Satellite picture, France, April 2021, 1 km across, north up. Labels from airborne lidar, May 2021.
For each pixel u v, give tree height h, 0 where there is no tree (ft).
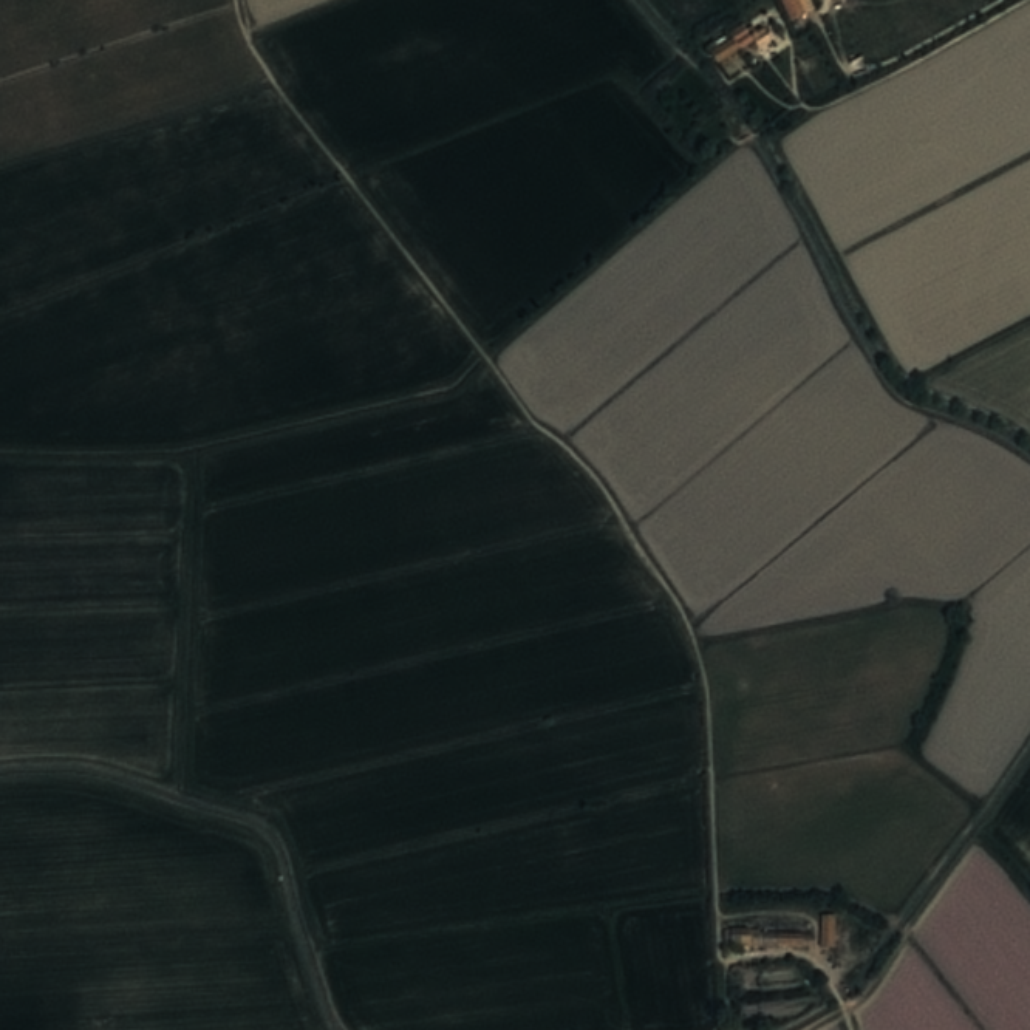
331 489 0
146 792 0
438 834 0
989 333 0
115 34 0
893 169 0
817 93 0
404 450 0
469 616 0
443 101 0
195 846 0
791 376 0
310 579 0
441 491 0
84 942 0
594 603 0
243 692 0
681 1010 0
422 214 0
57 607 0
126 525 0
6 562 0
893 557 0
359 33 0
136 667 0
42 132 0
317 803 0
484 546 0
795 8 0
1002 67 0
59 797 0
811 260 0
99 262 0
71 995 0
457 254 0
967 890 0
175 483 0
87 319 0
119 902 0
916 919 0
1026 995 0
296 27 0
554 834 0
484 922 0
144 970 0
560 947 0
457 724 0
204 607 0
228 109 0
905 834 0
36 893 0
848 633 0
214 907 0
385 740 0
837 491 0
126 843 0
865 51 0
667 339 0
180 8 0
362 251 0
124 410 0
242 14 0
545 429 0
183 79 0
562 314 0
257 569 0
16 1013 0
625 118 0
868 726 0
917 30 0
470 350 0
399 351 0
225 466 0
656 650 0
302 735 0
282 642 0
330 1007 0
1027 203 0
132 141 0
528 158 0
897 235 0
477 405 0
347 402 0
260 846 0
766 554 0
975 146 0
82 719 0
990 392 0
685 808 0
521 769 0
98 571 0
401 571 0
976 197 0
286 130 0
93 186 0
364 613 0
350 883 0
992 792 0
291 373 0
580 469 0
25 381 0
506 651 0
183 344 0
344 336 0
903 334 0
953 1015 0
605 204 0
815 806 0
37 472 0
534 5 0
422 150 0
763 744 0
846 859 0
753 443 0
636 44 0
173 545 0
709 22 25
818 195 0
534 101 0
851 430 0
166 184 0
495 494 0
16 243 0
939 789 0
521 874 0
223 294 0
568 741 0
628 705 0
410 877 0
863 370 0
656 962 0
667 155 0
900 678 0
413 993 0
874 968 21
